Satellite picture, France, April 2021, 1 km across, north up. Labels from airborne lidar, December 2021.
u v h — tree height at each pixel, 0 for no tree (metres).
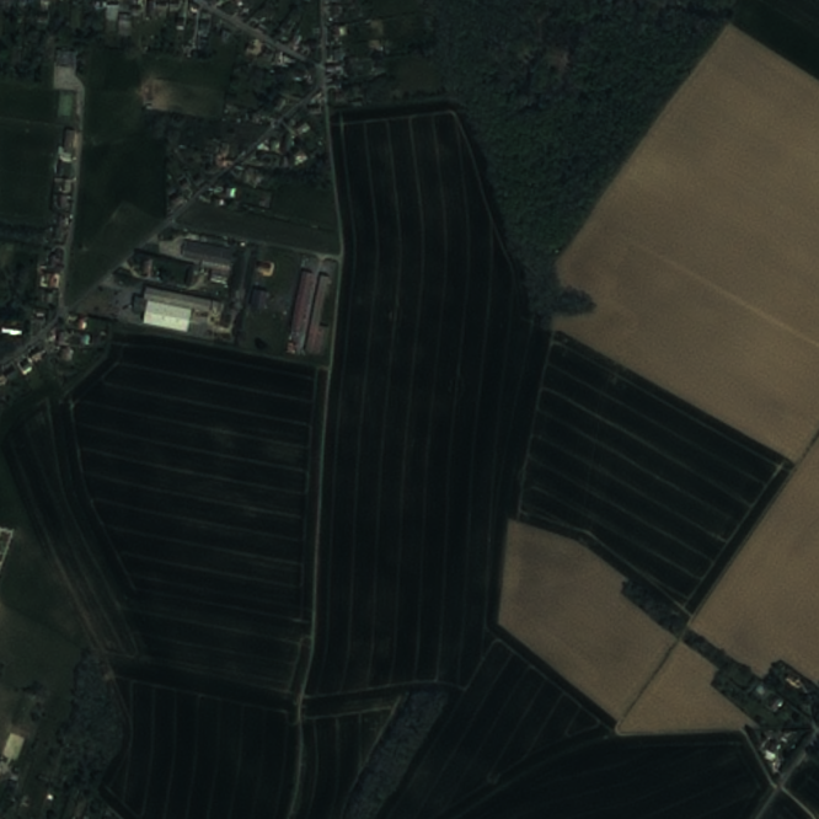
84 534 0
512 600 0
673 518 0
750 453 0
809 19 0
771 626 0
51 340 0
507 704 0
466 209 0
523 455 0
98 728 19
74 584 0
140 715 0
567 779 0
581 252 0
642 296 0
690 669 0
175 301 0
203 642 0
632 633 0
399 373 0
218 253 0
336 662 0
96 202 0
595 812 0
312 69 17
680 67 23
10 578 0
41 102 0
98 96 0
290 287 0
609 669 0
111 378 0
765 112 0
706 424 0
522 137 22
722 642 0
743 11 0
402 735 11
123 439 0
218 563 0
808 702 13
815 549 0
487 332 0
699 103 0
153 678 0
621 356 0
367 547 0
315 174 10
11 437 0
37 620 0
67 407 0
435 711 20
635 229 0
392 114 0
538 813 0
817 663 0
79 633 0
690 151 0
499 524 0
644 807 0
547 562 0
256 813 0
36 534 0
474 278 0
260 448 0
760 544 0
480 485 0
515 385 0
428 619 0
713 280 0
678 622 12
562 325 0
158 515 0
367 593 0
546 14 0
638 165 0
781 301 0
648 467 0
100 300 0
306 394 0
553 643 0
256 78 13
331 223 0
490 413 0
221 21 0
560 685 0
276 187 7
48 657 0
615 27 23
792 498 0
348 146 0
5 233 20
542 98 16
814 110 0
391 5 0
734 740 0
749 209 0
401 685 0
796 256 0
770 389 0
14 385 7
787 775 0
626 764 0
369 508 0
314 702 0
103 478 0
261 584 0
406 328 0
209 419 0
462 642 0
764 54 0
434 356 0
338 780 0
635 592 7
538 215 21
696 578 0
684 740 0
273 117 6
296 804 0
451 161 0
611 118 26
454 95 18
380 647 0
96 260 0
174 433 0
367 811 19
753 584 0
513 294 0
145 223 0
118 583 0
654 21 21
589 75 13
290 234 0
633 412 0
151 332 0
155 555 0
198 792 0
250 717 0
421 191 0
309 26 0
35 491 0
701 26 25
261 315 0
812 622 0
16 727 0
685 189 0
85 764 15
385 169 0
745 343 0
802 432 0
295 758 0
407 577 0
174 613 0
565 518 0
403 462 0
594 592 0
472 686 0
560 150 19
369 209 0
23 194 0
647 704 0
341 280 0
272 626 0
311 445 0
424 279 0
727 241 0
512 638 0
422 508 0
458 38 27
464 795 0
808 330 0
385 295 0
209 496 0
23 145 0
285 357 0
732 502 0
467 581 0
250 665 0
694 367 0
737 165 0
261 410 0
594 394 0
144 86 0
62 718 0
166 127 13
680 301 0
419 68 0
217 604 0
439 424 0
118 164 0
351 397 0
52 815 10
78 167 0
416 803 0
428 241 0
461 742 0
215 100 0
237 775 0
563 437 0
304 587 0
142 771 0
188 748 0
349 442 0
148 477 0
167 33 10
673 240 0
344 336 0
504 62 20
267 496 0
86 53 8
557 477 0
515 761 0
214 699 0
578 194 22
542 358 0
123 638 0
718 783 0
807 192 0
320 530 0
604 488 0
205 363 0
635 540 0
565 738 0
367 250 0
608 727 0
